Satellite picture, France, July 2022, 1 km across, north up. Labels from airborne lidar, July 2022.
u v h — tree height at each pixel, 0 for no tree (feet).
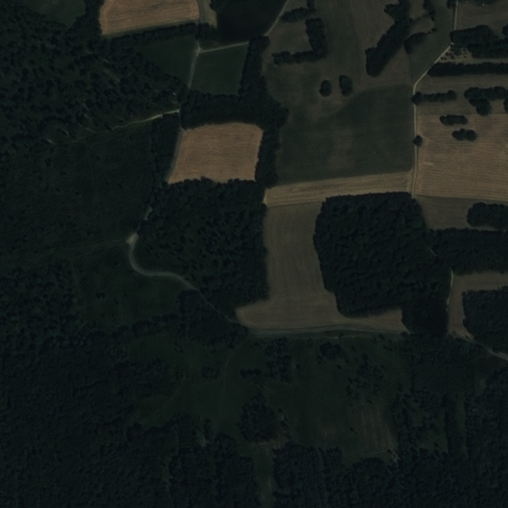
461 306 0
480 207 75
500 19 0
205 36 62
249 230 64
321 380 0
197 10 0
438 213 0
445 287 82
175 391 76
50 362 78
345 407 0
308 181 0
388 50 57
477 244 74
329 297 0
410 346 28
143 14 0
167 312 0
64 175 54
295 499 99
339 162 0
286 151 0
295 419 0
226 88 0
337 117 0
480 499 60
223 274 48
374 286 91
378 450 0
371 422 0
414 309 85
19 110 73
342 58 0
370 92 0
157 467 93
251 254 70
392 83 0
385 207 98
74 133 95
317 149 0
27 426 76
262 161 60
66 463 88
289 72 0
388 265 100
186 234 82
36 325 74
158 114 0
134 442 93
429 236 84
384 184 0
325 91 51
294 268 0
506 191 0
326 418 0
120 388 19
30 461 64
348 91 44
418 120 0
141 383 88
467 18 0
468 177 0
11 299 22
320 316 0
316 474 76
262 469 0
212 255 92
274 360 85
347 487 54
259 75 56
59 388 84
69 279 82
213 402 0
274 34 0
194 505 83
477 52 60
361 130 0
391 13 52
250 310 0
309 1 52
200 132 0
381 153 0
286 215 0
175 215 96
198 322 48
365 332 0
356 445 0
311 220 0
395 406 37
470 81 0
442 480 93
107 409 81
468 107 0
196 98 51
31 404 78
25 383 73
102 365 99
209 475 47
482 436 67
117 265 40
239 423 0
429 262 86
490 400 89
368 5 0
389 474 94
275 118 69
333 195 0
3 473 62
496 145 0
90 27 69
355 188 0
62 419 100
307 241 0
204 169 0
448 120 52
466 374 33
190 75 0
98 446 32
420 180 0
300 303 0
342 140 0
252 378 77
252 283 90
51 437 83
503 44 74
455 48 20
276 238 0
